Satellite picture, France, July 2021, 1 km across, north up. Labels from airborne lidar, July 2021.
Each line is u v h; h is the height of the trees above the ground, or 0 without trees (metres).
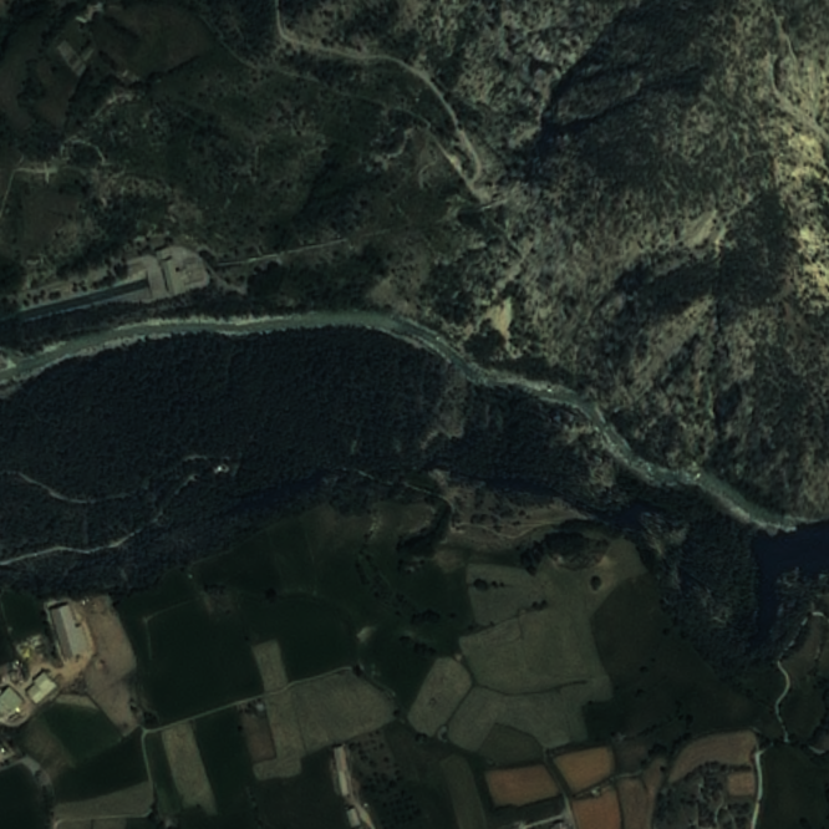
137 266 0
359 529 0
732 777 0
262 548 0
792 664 0
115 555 6
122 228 7
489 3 7
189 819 0
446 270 11
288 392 15
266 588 0
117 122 11
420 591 0
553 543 21
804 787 0
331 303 15
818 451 7
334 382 8
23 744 0
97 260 20
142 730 0
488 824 0
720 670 11
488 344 6
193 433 14
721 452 15
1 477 7
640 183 7
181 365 13
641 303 6
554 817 0
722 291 9
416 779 0
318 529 0
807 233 0
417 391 6
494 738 0
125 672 0
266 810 0
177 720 0
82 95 7
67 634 0
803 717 0
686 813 0
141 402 15
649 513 22
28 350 14
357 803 0
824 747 0
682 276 6
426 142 0
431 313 7
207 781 0
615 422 11
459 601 0
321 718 0
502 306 0
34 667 0
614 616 0
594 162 5
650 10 8
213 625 0
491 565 0
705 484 0
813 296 6
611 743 0
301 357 18
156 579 9
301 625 0
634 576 0
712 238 0
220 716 0
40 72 0
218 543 7
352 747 7
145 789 0
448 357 0
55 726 0
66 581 11
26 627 0
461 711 0
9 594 0
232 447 12
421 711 0
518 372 11
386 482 9
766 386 6
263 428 12
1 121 8
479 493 8
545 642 0
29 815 0
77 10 16
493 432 10
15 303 10
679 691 0
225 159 6
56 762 0
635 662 0
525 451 10
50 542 5
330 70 9
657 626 0
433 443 7
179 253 0
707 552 11
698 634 10
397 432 7
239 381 13
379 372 15
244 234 0
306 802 0
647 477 0
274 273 16
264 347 16
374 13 10
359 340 13
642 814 0
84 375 20
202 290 7
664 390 8
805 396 7
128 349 6
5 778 0
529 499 6
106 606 0
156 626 0
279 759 0
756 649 27
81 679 0
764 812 0
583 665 0
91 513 8
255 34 9
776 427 8
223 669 0
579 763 0
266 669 0
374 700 0
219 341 11
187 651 0
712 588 9
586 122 9
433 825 0
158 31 0
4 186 0
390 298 0
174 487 9
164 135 6
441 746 0
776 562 6
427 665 0
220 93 6
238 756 0
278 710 0
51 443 9
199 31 0
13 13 14
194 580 0
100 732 0
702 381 8
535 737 0
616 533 8
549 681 0
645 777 0
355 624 0
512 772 0
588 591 0
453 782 0
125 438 10
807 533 0
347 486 10
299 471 12
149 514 12
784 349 7
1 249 0
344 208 7
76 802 0
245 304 9
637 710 0
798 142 0
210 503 13
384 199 0
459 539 0
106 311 6
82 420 11
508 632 0
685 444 14
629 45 6
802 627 7
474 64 0
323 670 0
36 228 0
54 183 0
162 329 0
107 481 7
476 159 0
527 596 0
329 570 0
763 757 7
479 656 0
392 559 0
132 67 0
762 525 0
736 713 0
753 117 6
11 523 10
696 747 0
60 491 8
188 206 0
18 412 7
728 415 6
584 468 7
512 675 0
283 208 0
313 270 8
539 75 0
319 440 13
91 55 0
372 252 10
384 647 0
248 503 13
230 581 0
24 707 0
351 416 14
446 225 5
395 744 0
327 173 8
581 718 0
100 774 0
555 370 10
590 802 0
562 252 0
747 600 7
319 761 0
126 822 0
